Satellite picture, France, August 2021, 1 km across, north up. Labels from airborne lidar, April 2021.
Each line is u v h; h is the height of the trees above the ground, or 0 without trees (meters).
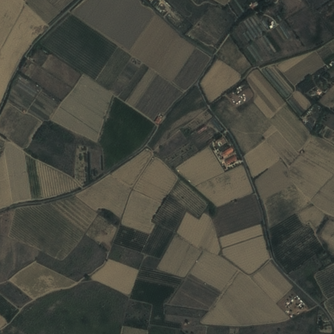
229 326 0
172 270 0
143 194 0
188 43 0
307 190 0
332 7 0
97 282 0
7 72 0
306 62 0
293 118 0
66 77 0
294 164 0
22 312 0
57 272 0
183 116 0
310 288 0
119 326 0
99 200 0
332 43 0
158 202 0
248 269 0
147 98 0
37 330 0
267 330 0
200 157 0
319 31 0
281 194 0
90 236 0
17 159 0
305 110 0
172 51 0
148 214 0
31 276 0
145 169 0
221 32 0
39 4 0
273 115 0
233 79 0
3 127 0
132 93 0
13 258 0
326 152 0
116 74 0
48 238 0
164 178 0
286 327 0
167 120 0
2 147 0
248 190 0
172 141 0
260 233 0
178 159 0
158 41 0
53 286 0
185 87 0
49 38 0
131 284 0
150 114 0
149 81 0
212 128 0
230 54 0
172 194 0
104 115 0
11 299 0
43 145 0
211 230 0
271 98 0
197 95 0
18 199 0
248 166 0
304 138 0
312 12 0
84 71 0
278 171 0
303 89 5
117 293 0
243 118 0
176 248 0
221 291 0
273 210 0
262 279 0
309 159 0
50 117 0
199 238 0
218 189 0
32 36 0
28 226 0
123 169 0
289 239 0
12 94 0
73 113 0
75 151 0
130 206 0
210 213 6
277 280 0
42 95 0
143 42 0
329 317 0
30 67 0
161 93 0
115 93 0
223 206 0
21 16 0
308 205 0
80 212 0
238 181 0
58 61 0
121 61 0
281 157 0
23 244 0
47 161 0
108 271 0
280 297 0
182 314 0
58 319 0
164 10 0
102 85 0
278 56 0
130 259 0
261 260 0
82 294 0
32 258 0
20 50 0
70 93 0
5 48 0
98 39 0
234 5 0
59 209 0
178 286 0
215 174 0
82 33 0
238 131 0
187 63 0
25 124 0
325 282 0
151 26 0
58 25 0
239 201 0
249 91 0
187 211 0
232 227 0
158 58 0
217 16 0
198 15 0
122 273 0
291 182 0
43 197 0
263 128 0
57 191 0
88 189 0
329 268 0
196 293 0
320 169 0
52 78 0
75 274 0
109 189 0
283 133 0
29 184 0
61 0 0
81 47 0
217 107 0
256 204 0
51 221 0
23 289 0
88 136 0
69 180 0
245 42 0
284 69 0
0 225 0
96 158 0
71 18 0
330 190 0
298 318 0
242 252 0
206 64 0
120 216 0
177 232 0
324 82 7
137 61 0
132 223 0
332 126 0
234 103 0
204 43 0
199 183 0
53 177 0
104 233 0
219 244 0
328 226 0
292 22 0
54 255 0
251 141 0
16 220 0
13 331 0
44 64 0
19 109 0
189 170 0
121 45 0
